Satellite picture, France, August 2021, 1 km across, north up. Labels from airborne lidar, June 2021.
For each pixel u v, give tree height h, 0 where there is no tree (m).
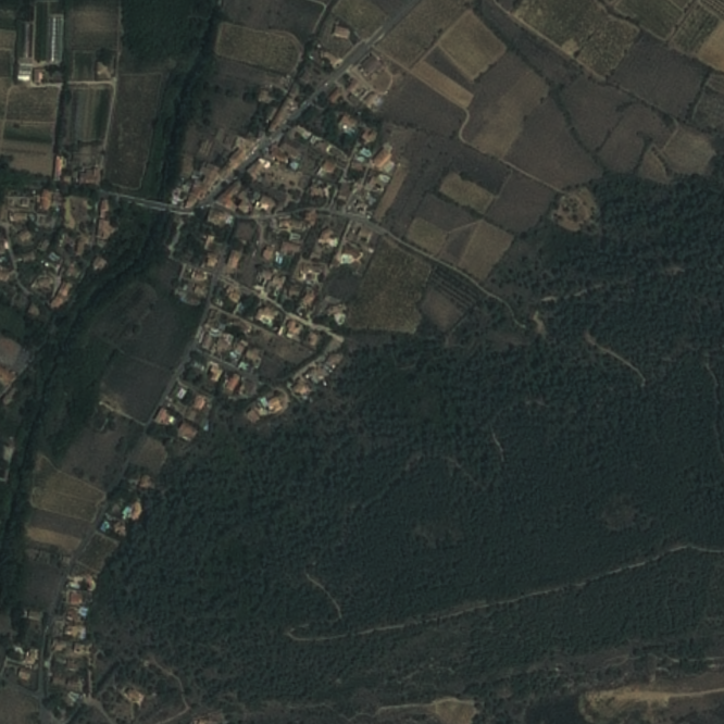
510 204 0
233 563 18
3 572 15
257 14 0
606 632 13
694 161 0
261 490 11
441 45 0
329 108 7
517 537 13
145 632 8
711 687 0
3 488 23
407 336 7
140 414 0
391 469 11
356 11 0
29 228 10
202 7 20
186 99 26
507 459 9
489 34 0
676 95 0
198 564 11
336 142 10
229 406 6
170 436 10
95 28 0
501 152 0
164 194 6
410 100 0
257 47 0
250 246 6
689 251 14
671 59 0
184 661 8
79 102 0
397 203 0
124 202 11
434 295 0
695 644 12
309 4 0
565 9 0
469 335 9
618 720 0
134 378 0
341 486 11
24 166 0
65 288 0
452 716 0
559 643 14
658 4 0
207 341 0
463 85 0
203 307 6
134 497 11
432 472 11
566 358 11
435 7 0
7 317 0
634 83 0
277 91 8
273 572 10
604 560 9
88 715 7
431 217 0
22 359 0
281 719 0
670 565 11
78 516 0
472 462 14
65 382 10
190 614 11
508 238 0
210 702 10
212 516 17
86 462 0
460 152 0
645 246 5
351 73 0
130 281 11
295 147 0
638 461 11
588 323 13
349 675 9
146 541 16
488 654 12
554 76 0
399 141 0
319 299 8
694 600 9
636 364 10
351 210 0
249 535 12
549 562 11
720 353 10
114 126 0
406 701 12
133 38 7
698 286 10
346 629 8
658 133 0
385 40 0
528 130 0
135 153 0
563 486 10
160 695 9
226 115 0
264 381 8
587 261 15
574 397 13
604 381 11
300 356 0
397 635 10
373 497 15
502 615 11
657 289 13
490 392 7
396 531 12
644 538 11
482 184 6
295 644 6
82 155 0
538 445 8
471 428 14
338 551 7
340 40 0
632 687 0
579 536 12
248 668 8
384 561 10
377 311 0
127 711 0
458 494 13
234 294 0
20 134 0
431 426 13
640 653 13
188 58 6
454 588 10
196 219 6
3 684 8
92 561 0
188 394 7
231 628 7
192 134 0
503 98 0
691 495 10
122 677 10
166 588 16
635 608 13
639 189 9
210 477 14
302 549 12
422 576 11
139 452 0
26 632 11
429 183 0
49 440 9
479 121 0
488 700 10
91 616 6
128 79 0
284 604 11
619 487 10
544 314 9
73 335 7
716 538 10
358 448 13
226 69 0
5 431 0
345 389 9
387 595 11
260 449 7
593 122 0
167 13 6
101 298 21
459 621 7
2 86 0
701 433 13
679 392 9
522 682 13
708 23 0
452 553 10
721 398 10
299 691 14
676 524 12
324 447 15
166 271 0
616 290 12
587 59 0
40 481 0
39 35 0
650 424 12
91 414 8
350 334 8
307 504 9
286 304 9
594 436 11
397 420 10
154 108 0
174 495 13
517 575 12
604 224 7
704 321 12
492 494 13
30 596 0
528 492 10
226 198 0
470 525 10
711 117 0
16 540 8
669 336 9
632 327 12
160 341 0
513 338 0
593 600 10
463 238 0
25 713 0
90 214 10
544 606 9
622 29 0
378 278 0
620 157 0
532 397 8
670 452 10
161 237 10
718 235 12
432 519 10
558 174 0
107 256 10
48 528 0
